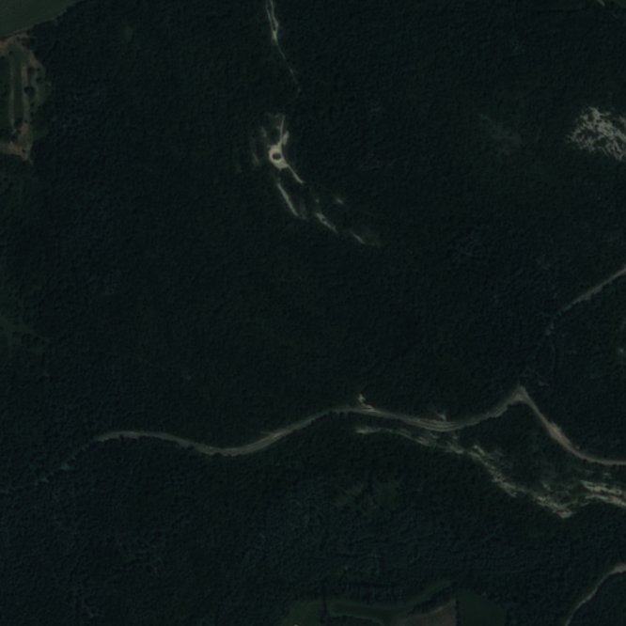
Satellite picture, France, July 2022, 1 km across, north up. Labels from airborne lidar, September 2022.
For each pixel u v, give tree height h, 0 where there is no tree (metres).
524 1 16
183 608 16
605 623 9
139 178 17
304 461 19
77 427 17
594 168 12
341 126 9
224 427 12
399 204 9
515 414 13
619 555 9
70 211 19
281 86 10
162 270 14
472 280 22
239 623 20
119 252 14
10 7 0
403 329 13
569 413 10
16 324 7
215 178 16
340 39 9
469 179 13
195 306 11
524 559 28
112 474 23
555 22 19
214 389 11
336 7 18
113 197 17
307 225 10
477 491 9
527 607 19
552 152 11
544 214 15
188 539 8
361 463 17
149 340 12
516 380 21
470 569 17
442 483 21
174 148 11
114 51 10
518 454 10
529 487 7
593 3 13
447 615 0
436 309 13
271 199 10
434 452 9
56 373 19
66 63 17
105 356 16
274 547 23
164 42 16
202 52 11
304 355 10
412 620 0
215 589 15
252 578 16
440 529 6
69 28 13
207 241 13
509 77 13
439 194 20
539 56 12
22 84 0
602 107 6
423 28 11
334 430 14
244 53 12
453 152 14
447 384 9
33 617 12
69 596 8
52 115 12
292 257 14
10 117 0
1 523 27
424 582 15
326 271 15
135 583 14
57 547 21
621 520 21
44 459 13
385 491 0
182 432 9
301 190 13
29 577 19
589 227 14
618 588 8
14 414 12
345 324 11
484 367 9
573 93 12
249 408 11
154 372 9
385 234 13
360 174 15
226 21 17
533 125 7
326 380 14
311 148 15
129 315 12
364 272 13
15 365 11
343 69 9
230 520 11
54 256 11
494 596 16
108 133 21
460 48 15
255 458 10
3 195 6
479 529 14
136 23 10
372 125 14
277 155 0
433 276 9
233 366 14
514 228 10
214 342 13
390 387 15
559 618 21
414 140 14
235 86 11
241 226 10
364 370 13
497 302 21
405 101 11
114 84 19
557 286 16
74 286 13
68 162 16
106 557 20
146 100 13
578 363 15
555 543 21
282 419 8
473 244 26
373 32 13
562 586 22
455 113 9
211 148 14
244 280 14
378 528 14
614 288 13
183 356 15
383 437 16
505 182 12
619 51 13
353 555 13
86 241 19
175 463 9
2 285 8
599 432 14
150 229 10
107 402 19
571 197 10
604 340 15
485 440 7
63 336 7
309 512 17
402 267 7
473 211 18
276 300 17
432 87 13
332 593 10
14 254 9
